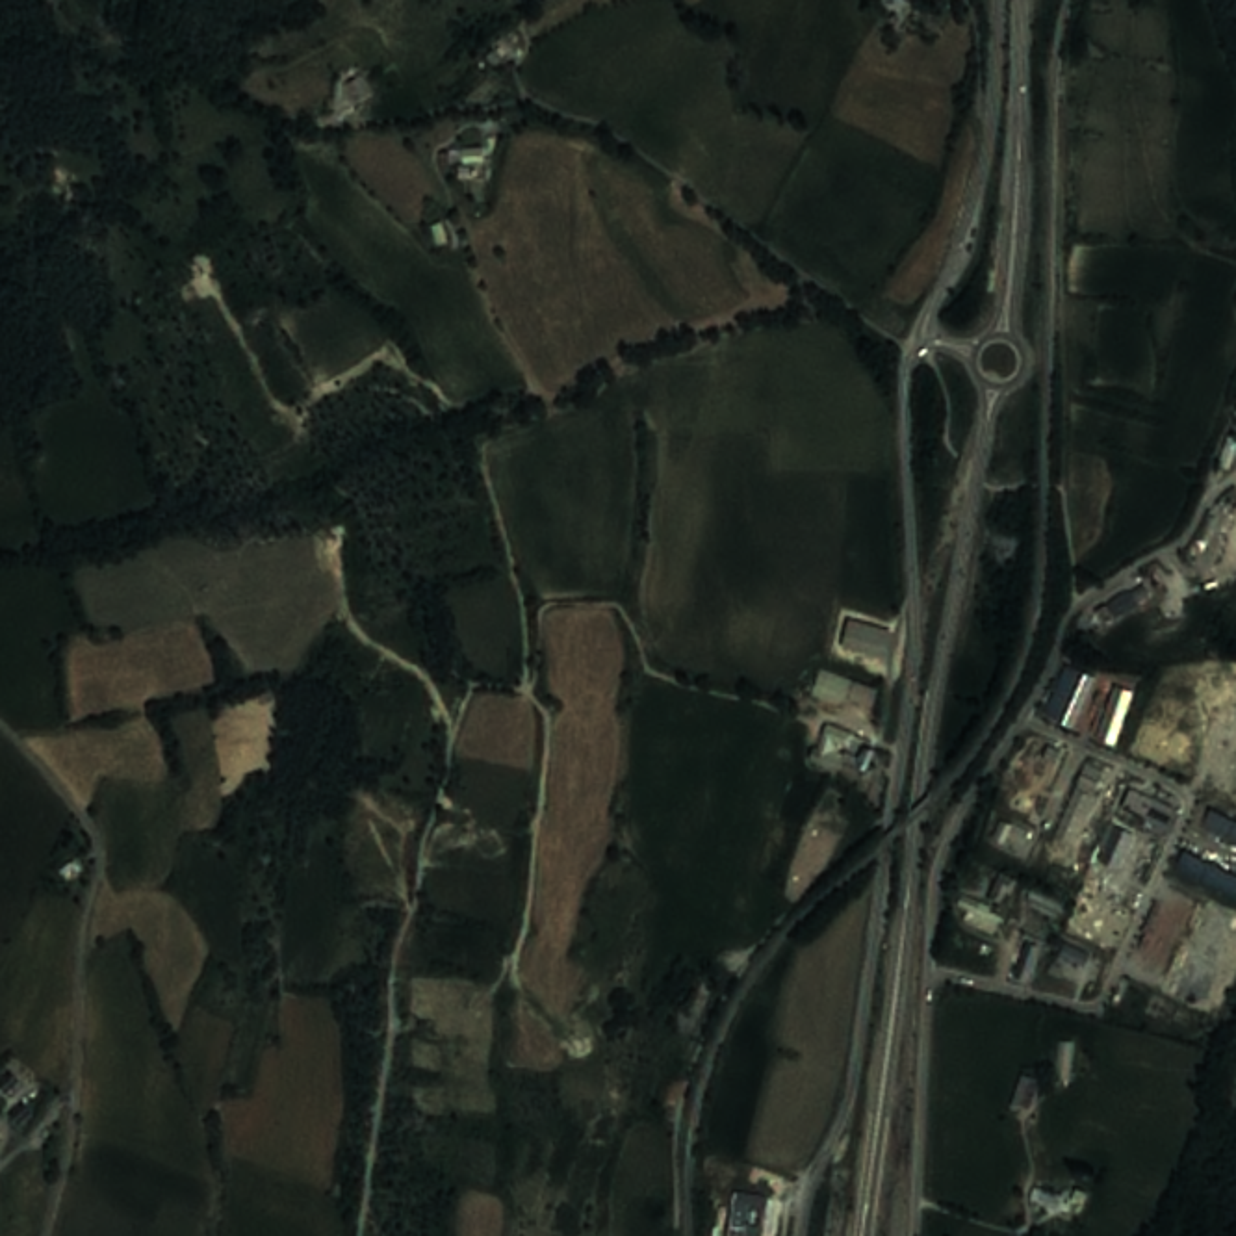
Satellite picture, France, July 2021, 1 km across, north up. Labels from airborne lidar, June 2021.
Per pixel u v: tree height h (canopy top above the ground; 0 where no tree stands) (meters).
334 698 16
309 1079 0
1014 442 0
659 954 0
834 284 0
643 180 0
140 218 13
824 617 0
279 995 13
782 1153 0
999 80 0
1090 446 0
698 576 0
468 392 0
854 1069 0
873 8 11
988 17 10
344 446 20
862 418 0
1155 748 0
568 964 0
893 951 0
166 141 11
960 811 0
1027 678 7
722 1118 0
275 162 15
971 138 0
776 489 0
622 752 0
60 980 0
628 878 0
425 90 0
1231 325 0
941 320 8
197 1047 0
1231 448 0
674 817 0
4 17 14
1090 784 0
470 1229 0
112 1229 0
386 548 16
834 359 0
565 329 0
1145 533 0
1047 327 0
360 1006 9
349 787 9
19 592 0
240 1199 0
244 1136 0
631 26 0
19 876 0
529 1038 0
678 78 0
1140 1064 0
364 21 0
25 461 8
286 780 18
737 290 0
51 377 15
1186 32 0
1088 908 0
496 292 0
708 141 0
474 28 7
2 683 0
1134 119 0
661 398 0
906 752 0
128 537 17
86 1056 0
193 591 0
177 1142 0
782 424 0
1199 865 0
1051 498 6
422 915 7
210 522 22
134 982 0
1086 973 0
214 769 0
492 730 0
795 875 0
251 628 0
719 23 20
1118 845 0
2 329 17
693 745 0
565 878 0
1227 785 0
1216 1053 15
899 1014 0
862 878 10
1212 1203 12
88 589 0
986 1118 0
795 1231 0
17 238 11
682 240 0
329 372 0
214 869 0
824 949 0
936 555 0
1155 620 0
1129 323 0
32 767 0
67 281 9
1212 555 0
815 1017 0
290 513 19
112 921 0
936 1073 0
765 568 0
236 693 17
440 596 16
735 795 0
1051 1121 0
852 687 0
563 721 0
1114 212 0
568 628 0
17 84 12
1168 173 0
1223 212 0
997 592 9
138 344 0
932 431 10
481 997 0
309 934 0
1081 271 0
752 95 0
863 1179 0
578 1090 0
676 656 0
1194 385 0
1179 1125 0
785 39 0
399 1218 7
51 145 10
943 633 0
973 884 0
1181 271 0
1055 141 0
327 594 0
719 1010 11
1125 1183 0
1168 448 0
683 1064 0
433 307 0
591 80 0
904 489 0
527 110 18
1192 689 0
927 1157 0
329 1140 0
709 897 0
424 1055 0
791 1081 0
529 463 0
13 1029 0
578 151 0
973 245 0
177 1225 0
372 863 0
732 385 0
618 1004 11
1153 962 0
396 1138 6
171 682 0
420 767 0
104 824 0
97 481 0
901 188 0
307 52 0
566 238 0
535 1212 0
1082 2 7
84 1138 0
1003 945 0
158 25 19
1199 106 0
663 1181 0
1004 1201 0
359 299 7
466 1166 0
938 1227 0
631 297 0
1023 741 8
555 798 0
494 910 0
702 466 0
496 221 0
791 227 0
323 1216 0
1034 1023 0
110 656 0
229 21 13
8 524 0
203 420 10
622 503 0
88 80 9
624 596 0
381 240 0
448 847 0
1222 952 0
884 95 0
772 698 8
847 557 0
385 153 0
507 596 0
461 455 8
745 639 0
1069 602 7
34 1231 0
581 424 0
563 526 0
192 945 0
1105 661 6
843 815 0
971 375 0
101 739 0
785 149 0
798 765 0
